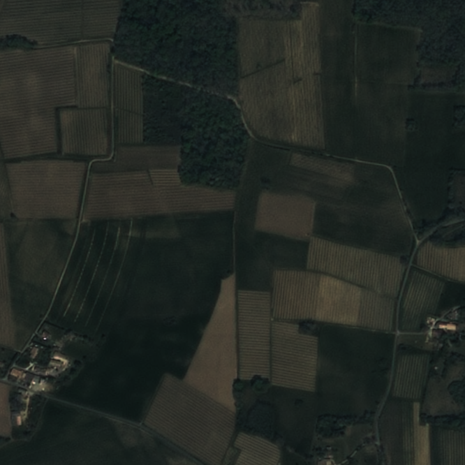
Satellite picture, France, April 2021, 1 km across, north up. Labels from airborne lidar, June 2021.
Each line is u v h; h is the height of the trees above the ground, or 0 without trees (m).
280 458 0
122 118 0
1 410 0
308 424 0
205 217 0
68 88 0
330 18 0
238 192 0
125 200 0
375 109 0
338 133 0
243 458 0
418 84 15
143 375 0
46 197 0
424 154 0
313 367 0
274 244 0
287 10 17
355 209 0
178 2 23
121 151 0
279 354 0
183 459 0
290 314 0
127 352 0
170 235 0
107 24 0
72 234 0
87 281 0
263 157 0
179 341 0
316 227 0
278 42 0
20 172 0
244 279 0
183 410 0
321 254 0
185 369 0
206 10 17
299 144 0
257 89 0
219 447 0
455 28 22
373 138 0
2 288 0
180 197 0
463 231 10
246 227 0
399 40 0
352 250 0
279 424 0
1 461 0
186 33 19
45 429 0
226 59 22
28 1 0
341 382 0
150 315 0
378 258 0
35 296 0
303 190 0
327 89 0
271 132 0
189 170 18
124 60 15
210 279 0
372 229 0
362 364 0
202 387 0
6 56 0
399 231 0
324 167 0
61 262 0
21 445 0
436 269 0
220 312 0
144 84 9
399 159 0
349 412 0
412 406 0
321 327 0
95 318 0
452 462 0
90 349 0
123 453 0
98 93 0
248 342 0
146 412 0
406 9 19
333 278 0
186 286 0
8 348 0
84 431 0
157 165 0
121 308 0
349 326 0
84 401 0
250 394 0
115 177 0
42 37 0
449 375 0
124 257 0
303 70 0
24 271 0
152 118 9
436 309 0
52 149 0
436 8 19
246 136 25
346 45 0
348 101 0
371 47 0
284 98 0
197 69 24
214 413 0
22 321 0
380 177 0
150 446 0
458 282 0
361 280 0
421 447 0
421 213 0
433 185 0
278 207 0
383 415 0
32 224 0
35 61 0
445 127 0
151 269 0
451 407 0
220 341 0
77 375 13
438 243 21
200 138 15
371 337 0
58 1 0
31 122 0
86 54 0
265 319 0
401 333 0
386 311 0
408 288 0
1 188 0
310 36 0
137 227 0
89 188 0
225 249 0
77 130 0
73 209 0
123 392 0
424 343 0
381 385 0
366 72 0
